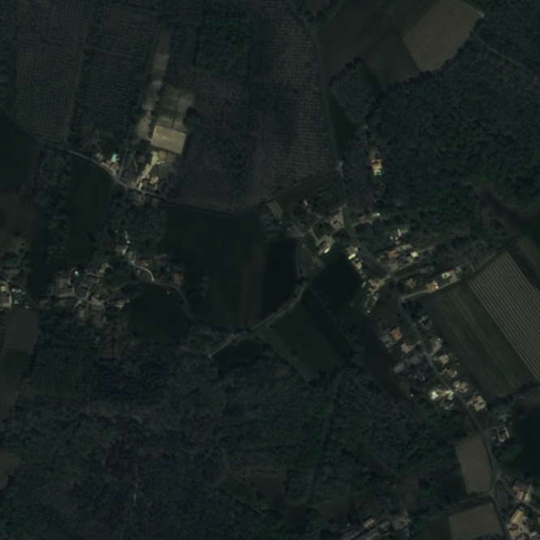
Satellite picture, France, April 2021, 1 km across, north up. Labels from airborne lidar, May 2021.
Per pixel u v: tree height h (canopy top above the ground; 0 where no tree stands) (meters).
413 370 9
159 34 0
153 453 8
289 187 7
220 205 19
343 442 13
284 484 0
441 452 15
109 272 12
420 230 18
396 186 26
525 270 0
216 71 18
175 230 0
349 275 0
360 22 0
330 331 0
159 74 0
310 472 19
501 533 0
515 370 0
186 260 0
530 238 0
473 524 0
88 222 0
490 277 0
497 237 13
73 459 18
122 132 7
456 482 0
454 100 24
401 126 26
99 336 10
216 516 20
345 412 20
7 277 0
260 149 10
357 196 17
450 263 13
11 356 0
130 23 22
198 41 9
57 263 0
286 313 0
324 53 0
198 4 20
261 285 0
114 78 15
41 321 10
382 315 0
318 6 19
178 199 12
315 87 23
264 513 18
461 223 20
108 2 7
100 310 0
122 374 18
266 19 21
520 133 19
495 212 0
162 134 0
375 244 15
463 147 19
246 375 25
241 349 0
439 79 18
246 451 10
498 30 18
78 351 26
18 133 0
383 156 22
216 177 18
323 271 0
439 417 12
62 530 15
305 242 0
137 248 14
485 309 0
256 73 5
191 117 19
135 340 14
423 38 0
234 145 14
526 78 13
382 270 0
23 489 21
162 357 7
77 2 24
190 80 16
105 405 23
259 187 15
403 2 0
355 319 0
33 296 0
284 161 22
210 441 7
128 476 13
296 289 0
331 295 0
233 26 19
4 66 14
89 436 17
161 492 19
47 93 24
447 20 0
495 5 15
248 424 18
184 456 14
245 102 9
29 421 16
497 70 12
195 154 17
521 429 0
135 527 9
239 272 0
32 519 20
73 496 14
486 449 0
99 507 16
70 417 8
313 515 19
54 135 20
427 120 23
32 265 7
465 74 19
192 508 26
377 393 18
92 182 0
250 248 0
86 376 19
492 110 16
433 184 22
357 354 14
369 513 0
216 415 19
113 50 23
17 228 0
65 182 19
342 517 0
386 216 15
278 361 12
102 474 16
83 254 0
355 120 13
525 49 18
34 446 20
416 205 19
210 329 19
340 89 16
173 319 0
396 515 13
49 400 7
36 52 24
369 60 0
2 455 0
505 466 0
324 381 22
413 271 0
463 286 0
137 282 15
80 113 19
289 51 26
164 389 8
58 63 24
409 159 22
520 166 18
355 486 16
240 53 21
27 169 0
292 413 21
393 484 8
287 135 22
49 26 20
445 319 0
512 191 17
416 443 21
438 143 21
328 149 22
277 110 6
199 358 19
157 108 9
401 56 0
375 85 0
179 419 16
